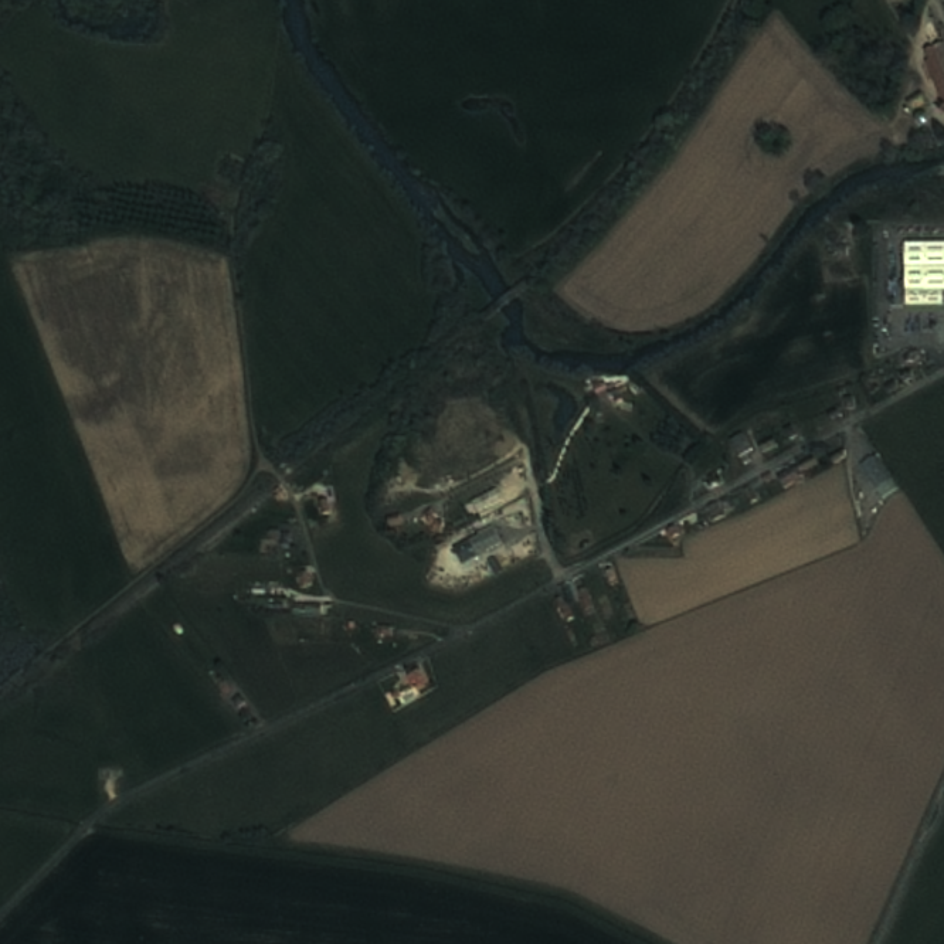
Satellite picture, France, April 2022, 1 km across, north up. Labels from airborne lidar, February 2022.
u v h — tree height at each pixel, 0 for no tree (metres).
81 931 0
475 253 0
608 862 0
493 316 0
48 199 13
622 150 0
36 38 0
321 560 0
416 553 0
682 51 0
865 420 0
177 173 0
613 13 0
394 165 0
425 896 0
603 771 0
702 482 0
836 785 0
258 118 0
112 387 0
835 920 0
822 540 0
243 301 13
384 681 0
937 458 0
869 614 0
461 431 0
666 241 0
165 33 16
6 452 0
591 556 0
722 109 0
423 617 0
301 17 0
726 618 0
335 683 0
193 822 0
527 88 0
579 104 0
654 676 0
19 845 0
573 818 0
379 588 0
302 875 0
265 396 0
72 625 0
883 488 0
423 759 0
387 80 0
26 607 0
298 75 0
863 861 0
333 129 0
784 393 0
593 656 0
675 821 0
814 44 0
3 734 0
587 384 8
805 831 0
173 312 0
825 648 0
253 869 0
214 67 0
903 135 0
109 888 0
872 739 0
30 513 0
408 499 0
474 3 0
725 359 0
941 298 0
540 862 0
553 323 0
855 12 13
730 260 0
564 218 0
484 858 0
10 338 0
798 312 0
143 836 0
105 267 0
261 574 0
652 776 0
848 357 0
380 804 0
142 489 0
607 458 0
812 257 0
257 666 0
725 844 0
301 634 0
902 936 0
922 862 0
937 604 0
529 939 0
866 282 0
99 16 13
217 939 0
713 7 0
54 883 0
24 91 0
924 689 0
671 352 22
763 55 0
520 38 0
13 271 0
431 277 13
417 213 8
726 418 0
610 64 0
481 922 0
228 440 0
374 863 0
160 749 0
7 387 0
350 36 0
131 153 0
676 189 0
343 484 0
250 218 6
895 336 0
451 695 0
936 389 0
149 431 0
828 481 0
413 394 14
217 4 0
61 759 0
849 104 0
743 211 0
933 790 0
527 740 0
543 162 0
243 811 0
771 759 0
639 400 0
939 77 0
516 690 0
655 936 0
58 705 0
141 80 0
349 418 9
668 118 17
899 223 0
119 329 0
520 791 0
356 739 0
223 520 0
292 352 0
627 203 16
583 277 0
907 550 0
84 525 0
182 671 0
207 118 0
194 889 0
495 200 0
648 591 0
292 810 0
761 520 0
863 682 0
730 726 0
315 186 0
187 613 0
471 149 0
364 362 0
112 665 0
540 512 0
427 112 0
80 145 0
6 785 0
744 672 0
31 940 0
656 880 0
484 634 0
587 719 0
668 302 0
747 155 0
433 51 0
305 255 0
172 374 0
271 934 0
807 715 0
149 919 0
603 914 0
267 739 0
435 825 0
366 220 0
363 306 0
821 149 0
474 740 0
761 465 0
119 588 0
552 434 0
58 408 0
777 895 0
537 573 0
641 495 0
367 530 0
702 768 0
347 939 0
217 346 0
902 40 0
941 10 0
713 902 0
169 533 0
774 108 0
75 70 0
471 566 0
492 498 0
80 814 0
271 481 0
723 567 0
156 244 0
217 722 0
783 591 0
